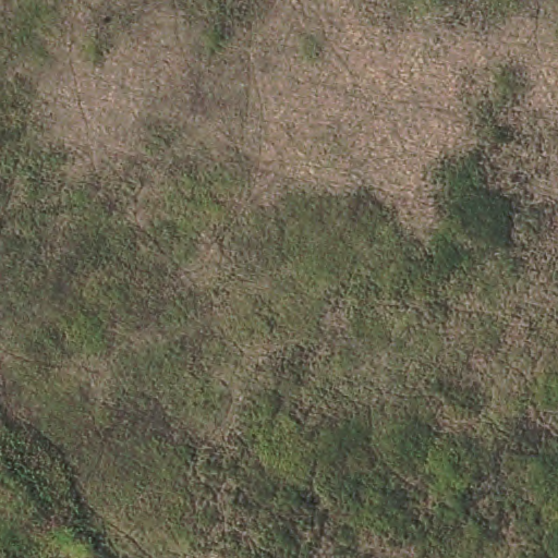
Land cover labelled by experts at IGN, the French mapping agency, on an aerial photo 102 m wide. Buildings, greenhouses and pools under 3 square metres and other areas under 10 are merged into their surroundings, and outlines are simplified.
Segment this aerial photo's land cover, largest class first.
<instances>
[{"label":"herbaceous vegetation","instance_id":"1","mask_svg":"<svg viewBox=\"0 0 558 558\"><path fill-rule=\"evenodd\" d=\"M0 558H558V0H0Z\"/></svg>","mask_w":558,"mask_h":558}]
</instances>
